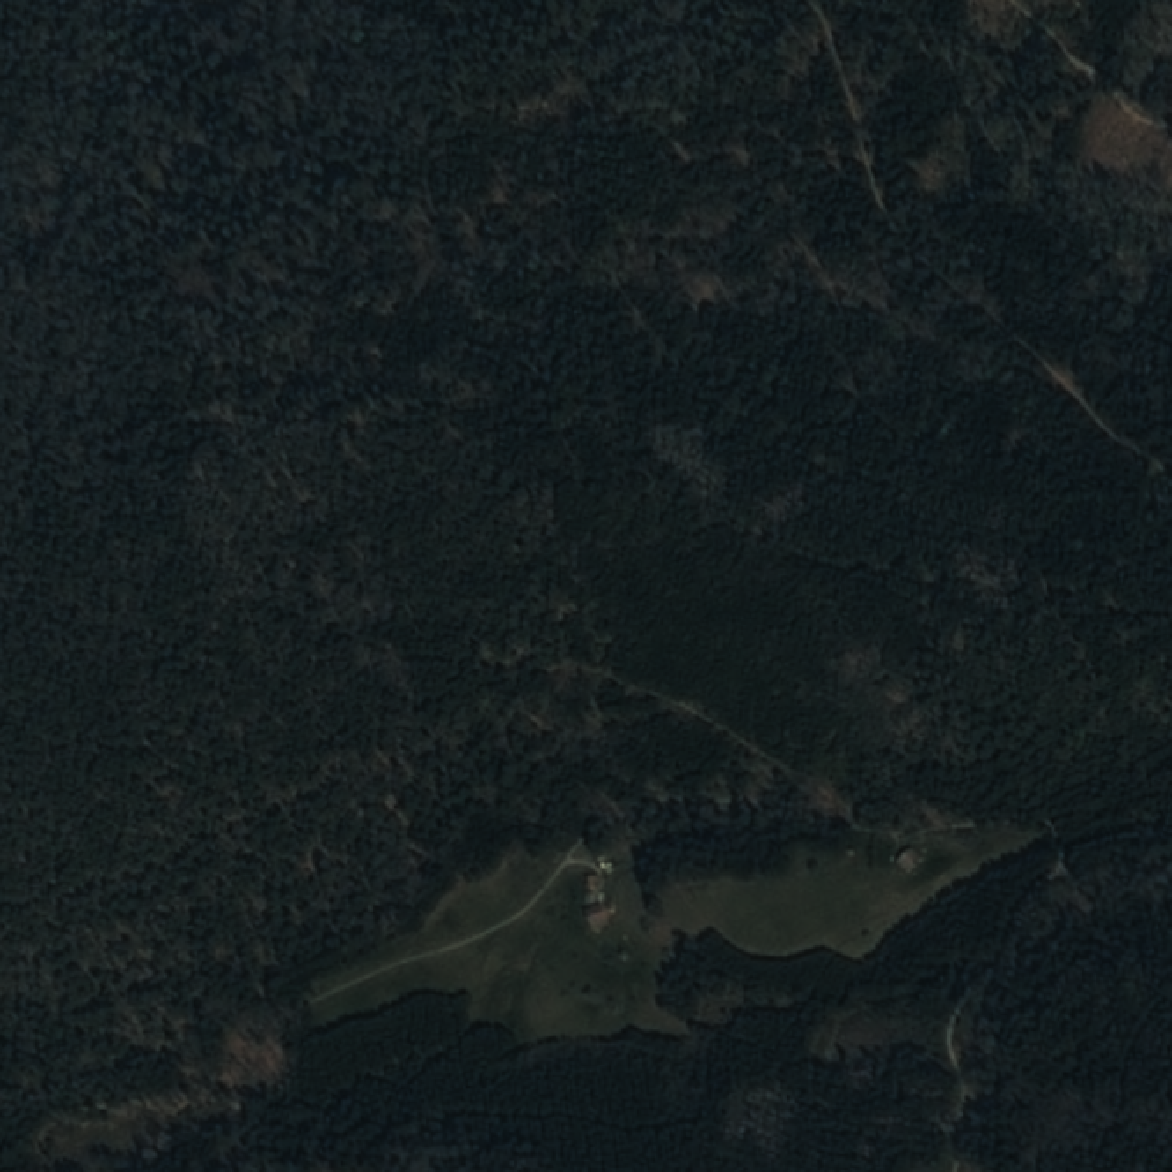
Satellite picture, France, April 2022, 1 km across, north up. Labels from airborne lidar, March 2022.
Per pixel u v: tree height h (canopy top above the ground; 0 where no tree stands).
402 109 23
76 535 19
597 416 13
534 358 18
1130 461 14
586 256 7
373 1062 21
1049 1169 15
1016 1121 25
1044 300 14
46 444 13
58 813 22
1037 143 32
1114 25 10
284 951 34
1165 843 27
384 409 29
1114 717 21
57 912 22
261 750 28
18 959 25
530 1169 27
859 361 22
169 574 18
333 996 0
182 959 36
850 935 0
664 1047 20
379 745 26
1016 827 18
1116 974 21
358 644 23
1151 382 31
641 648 16
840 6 17
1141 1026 19
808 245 8
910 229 17
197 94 26
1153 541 16
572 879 0
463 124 24
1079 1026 20
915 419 23
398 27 28
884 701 17
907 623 20
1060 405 20
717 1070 19
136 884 28
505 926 0
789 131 17
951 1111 21
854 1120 23
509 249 25
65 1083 20
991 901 20
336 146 29
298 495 24
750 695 13
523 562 11
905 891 0
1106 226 17
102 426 20
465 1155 28
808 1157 22
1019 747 27
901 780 24
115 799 21
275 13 19
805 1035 24
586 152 19
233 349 23
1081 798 25
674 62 25
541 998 0
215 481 18
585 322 18
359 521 18
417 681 25
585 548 16
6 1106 32
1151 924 19
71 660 20
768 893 0
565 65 33
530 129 10
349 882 24
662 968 0
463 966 0
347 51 23
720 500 12
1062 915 22
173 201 14
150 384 19
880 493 20
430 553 15
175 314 22
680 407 18
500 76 6
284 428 21
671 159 17
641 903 0
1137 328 27
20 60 24
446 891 10
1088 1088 20
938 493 18
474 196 11
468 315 9
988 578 21
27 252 10
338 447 13
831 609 17
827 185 18
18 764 21
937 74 13
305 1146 27
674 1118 18
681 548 11
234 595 22
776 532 21
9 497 17
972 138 8
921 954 21
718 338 14
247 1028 28
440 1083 20
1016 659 15
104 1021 30
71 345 24
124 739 25
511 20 37
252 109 31
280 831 36
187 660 26
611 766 24
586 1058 16
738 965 16
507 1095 21
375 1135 26
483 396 14
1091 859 26
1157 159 0
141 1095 28
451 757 30
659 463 19
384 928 23
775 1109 16
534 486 19
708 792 11
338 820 26
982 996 23
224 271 8
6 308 18
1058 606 18
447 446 19
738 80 9
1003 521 17
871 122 12
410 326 10
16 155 30
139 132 25
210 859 26
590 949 0
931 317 20
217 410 22
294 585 27
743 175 16
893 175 26
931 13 10
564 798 30
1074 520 14
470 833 17
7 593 20
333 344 9
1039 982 24
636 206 13
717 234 14
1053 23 9
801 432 23
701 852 27
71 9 23
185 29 31
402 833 24
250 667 17
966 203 9
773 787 13
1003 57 22
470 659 27
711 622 16
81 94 23
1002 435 16
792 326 24
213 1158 23
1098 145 0
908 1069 19
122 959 29
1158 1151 20
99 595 11
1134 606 17
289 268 13
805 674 12
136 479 21
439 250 10
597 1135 21
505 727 25
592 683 14
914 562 21
